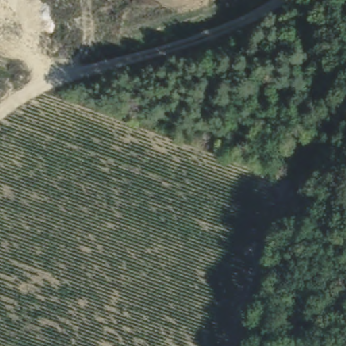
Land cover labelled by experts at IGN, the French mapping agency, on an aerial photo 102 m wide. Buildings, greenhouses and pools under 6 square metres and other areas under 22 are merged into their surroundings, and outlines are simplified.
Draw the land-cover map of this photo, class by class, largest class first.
<instances>
[{"label":"vineyard","instance_id":"1","mask_svg":"<svg viewBox=\"0 0 346 346\"><path fill-rule=\"evenodd\" d=\"M296 193L288 185L281 184L280 180L272 181L269 176L261 174L257 176L254 174V166L246 164L243 159H237L232 165L223 166L218 164L216 158L203 146L193 145L191 142L189 145L184 143L178 147L165 135L139 127L138 120L123 122L115 116L100 112L99 109L61 99L54 95L51 89L31 97L0 120V346H235L241 342L238 338L237 319L249 308L251 293L261 289L262 282L265 281L264 276L259 273V259L262 258V246L266 242V227L280 218L282 204Z\"/></svg>","mask_w":346,"mask_h":346},{"label":"deciduous trees","instance_id":"2","mask_svg":"<svg viewBox=\"0 0 346 346\"><path fill-rule=\"evenodd\" d=\"M297 3L307 4L310 0H278L272 12L281 16L293 11ZM315 8H324L326 23L318 24L319 30L314 32V42L316 53L327 50L326 57L322 59L324 72H331L337 77L331 91L328 92L326 99L319 100V108L304 115L297 112V105L308 96V89L300 91L292 86L278 89L276 84L268 86L266 82H262L258 86V93L242 97L239 86H228V103L223 105L227 111L224 127L227 131L231 130V139L222 137L220 147L226 150V154L216 158L218 164L223 166L232 165L237 159H243L246 164L253 157L258 158L262 168L268 166L269 162H280L287 170L280 180L281 184L288 185L296 193L282 204L280 218L266 227V242L262 246V258L259 259V273L264 276L265 281L262 282L261 289L251 293L249 308L237 319L238 338L241 342L235 346H346V0H311ZM296 126L303 127L305 131L314 130L316 135L310 143H300L292 155L285 157L280 147V135L285 138L289 128Z\"/></svg>","mask_w":346,"mask_h":346},{"label":"coniferous trees","instance_id":"3","mask_svg":"<svg viewBox=\"0 0 346 346\"><path fill-rule=\"evenodd\" d=\"M324 8H315L311 0H310L307 4L297 3L293 11L281 16L272 12L261 26L239 28L224 36L222 41L215 43V46H195L184 55L159 59L153 66L128 65L126 69H112L108 73L76 78L53 88L51 89L54 95L61 99L99 109L100 112L115 116L123 122L138 120L139 127L165 135L178 147L184 143L189 145L191 142L193 145L203 146L216 158L226 154V150L220 147L222 137L231 139V130L227 131L224 127L227 111L223 105L228 103V86H239L242 97L258 93V86L262 82H266L268 86L276 84L278 89L292 86L300 91L308 89V96L297 105V112L304 115L319 108V100L326 99L328 92L331 91L337 77L331 72H324L322 59L326 57L327 50L316 53L314 42V32L319 30L318 24L326 23ZM316 135L314 130L305 131L303 127L296 126L289 128L285 138L280 135V147L285 157L292 155L300 143H310ZM254 166V174L257 176L261 174L269 176L272 181L280 180L287 170L280 162H269L268 166L262 168L258 158L253 157L246 164Z\"/></svg>","mask_w":346,"mask_h":346},{"label":"herbaceous vegetation","instance_id":"4","mask_svg":"<svg viewBox=\"0 0 346 346\"><path fill-rule=\"evenodd\" d=\"M42 3L49 5L50 16L54 22V31L42 32L38 43L41 54L53 59V65L45 76V80L50 82L53 88L76 78L108 73L112 69H126L128 65L153 66L159 59L184 55L195 46H215V43L222 41L224 36L239 28L261 26L272 12L278 0H209L205 7L180 14L176 9L164 7L158 0H41ZM31 73L23 61L0 55V89H4L5 92L7 89L19 91L30 82Z\"/></svg>","mask_w":346,"mask_h":346},{"label":"pervious surface","instance_id":"5","mask_svg":"<svg viewBox=\"0 0 346 346\"><path fill-rule=\"evenodd\" d=\"M54 31V22L50 16L49 5L42 3L41 0H0V55L23 61L31 73L30 82L19 91L7 89L5 92L4 89H0V120L31 97L51 89L53 88L50 82L45 80V76L53 65V59L41 54L38 43L42 32ZM164 7L176 9L180 14L205 7L209 0H158Z\"/></svg>","mask_w":346,"mask_h":346}]
</instances>
